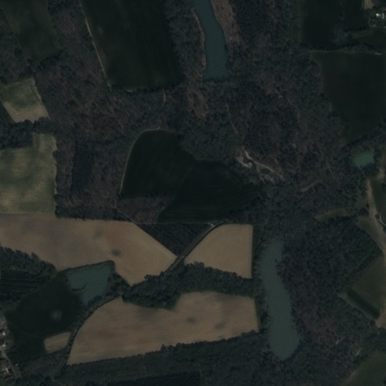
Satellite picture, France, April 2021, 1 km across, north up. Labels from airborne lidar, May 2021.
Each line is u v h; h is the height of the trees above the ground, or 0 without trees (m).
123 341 0
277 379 20
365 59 0
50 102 16
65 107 19
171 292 23
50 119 13
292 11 15
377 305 0
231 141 6
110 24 0
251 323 0
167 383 13
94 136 15
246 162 0
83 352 0
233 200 0
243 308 0
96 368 9
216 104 14
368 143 19
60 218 12
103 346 0
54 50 0
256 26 26
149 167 0
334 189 15
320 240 16
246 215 17
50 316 0
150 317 0
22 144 15
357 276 10
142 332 0
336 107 0
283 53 14
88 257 0
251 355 17
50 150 0
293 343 0
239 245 0
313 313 10
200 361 16
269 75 17
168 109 16
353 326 12
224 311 0
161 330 0
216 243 0
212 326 0
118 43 0
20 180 0
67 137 16
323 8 0
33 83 0
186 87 22
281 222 25
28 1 0
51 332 0
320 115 23
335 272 12
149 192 0
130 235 0
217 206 0
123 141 15
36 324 0
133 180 0
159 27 0
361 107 0
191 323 0
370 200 0
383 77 0
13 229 0
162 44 0
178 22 23
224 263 0
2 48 19
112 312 0
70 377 11
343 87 0
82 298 0
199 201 0
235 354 12
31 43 0
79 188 17
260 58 18
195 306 0
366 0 0
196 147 23
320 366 19
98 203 17
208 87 17
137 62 0
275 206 19
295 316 12
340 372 14
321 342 8
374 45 0
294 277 17
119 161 12
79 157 16
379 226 0
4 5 0
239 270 0
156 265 0
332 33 0
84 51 13
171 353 15
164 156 0
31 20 0
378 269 0
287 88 13
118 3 0
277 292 0
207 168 0
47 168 0
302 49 20
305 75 23
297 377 17
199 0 0
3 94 0
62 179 9
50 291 0
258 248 7
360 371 0
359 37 0
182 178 0
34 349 0
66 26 10
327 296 16
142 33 0
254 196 0
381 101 0
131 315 0
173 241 8
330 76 0
